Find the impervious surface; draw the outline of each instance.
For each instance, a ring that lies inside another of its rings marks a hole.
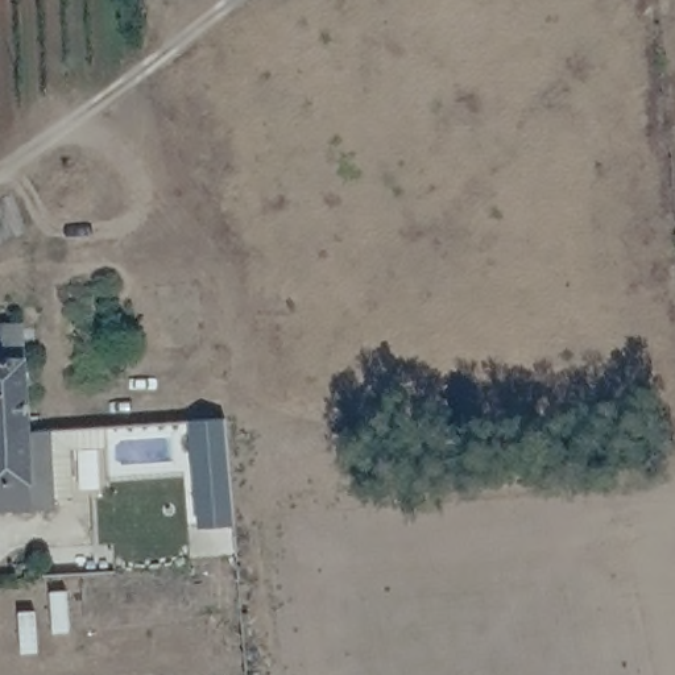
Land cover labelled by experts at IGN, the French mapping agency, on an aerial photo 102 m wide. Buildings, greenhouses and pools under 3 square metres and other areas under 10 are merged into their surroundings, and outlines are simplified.
[[[58,461],[69,461],[69,451],[74,448],[79,454],[82,490],[103,488],[121,480],[179,477],[185,485],[190,556],[235,554],[235,533],[227,527],[198,527],[190,454],[185,448],[187,425],[171,422],[53,432],[53,467]],[[166,440],[171,459],[148,464],[121,464],[116,459],[116,446],[124,440]]]

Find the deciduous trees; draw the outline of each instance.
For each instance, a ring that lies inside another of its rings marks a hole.
[[[95,269],[90,277],[69,279],[58,290],[63,316],[74,324],[71,356],[69,367],[63,369],[63,380],[69,388],[79,388],[82,393],[105,390],[111,382],[121,377],[121,372],[129,364],[137,364],[145,353],[145,330],[140,324],[140,316],[132,314],[129,301],[119,301],[121,277],[113,269]]]
[[[5,559],[13,567],[13,575],[0,577],[0,588],[37,583],[40,575],[50,572],[55,562],[50,559],[47,543],[29,541],[18,554]]]
[[[327,440],[335,443],[338,469],[351,475],[351,493],[361,501],[393,506],[401,512],[435,512],[443,509],[448,493],[459,493],[464,501],[475,501],[480,493],[483,488],[498,488],[504,483],[519,483],[530,488],[541,496],[630,496],[638,490],[649,490],[657,483],[659,472],[675,477],[675,430],[670,409],[659,398],[662,380],[651,374],[649,390],[633,393],[596,388],[591,393],[570,393],[556,403],[535,403],[535,422],[525,417],[509,417],[506,411],[498,411],[496,406],[485,403],[475,419],[451,425],[451,409],[446,396],[430,390],[427,385],[417,385],[414,390],[398,385],[393,393],[382,398],[377,414],[369,422],[364,422],[356,435],[327,435]]]
[[[24,403],[42,401],[45,396],[45,345],[40,340],[26,340],[21,345],[26,377]]]

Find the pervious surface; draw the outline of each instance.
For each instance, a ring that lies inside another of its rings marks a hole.
[[[87,98],[66,116],[53,121],[47,129],[34,134],[29,142],[18,145],[13,153],[0,158],[0,185],[21,195],[32,221],[47,237],[61,237],[66,232],[76,237],[95,229],[103,240],[108,240],[127,237],[129,232],[134,232],[150,214],[153,182],[145,161],[134,153],[134,142],[121,140],[116,129],[108,129],[100,113],[119,98],[124,98],[129,90],[134,90],[140,82],[145,82],[150,74],[156,74],[161,66],[166,66],[171,58],[177,58],[187,45],[203,37],[229,13],[229,5],[224,0],[211,0],[192,24],[169,34],[153,53],[142,55],[111,84],[105,84],[92,98]],[[32,187],[29,177],[40,158],[61,145],[90,148],[124,177],[124,187],[129,195],[127,214],[90,227],[90,221],[71,221],[63,208],[45,206],[42,195]]]
[[[50,559],[55,562],[50,572],[111,572],[108,564],[113,548],[100,543],[98,533],[98,501],[103,496],[103,488],[82,490],[79,454],[74,448],[69,451],[69,461],[58,461],[53,467],[55,512],[0,514],[0,577],[13,575],[13,567],[5,559],[18,554],[29,541],[47,543]]]

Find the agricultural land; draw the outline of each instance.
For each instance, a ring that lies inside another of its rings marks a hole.
[[[229,214],[229,227],[243,235],[243,243],[248,248],[248,287],[264,293],[264,298],[287,298],[285,306],[293,314],[279,316],[279,340],[285,353],[295,356],[290,361],[290,369],[303,372],[298,374],[298,382],[287,390],[287,401],[272,403],[272,417],[253,419],[250,409],[237,409],[235,414],[221,414],[221,419],[229,506],[243,512],[243,525],[248,530],[250,554],[243,562],[245,570],[258,577],[272,577],[272,583],[282,583],[282,591],[277,596],[279,601],[295,596],[295,604],[282,606],[277,612],[282,643],[279,657],[285,662],[306,659],[308,675],[675,675],[675,477],[659,472],[657,483],[649,490],[638,490],[630,496],[541,496],[530,488],[522,498],[483,498],[480,493],[475,501],[464,501],[459,493],[448,493],[443,509],[435,512],[401,512],[393,506],[361,501],[351,493],[351,475],[338,469],[335,443],[327,440],[327,435],[356,435],[364,422],[369,422],[377,414],[382,398],[393,393],[398,385],[414,390],[417,385],[427,385],[430,390],[446,396],[451,409],[451,425],[475,419],[485,403],[496,406],[498,411],[506,411],[509,417],[525,417],[535,422],[535,403],[556,403],[570,393],[591,393],[596,388],[633,393],[649,390],[651,374],[651,361],[672,345],[670,316],[662,303],[654,303],[649,287],[628,295],[628,261],[622,256],[620,243],[625,224],[633,219],[630,206],[625,206],[625,195],[630,174],[638,163],[630,150],[649,150],[646,26],[638,24],[635,5],[630,0],[224,0],[229,5],[229,13],[232,18],[243,21],[243,34],[235,42],[235,53],[227,58],[227,79],[219,87],[208,90],[206,98],[216,105],[216,140],[229,140],[235,150],[235,174],[224,179],[221,211]]]
[[[111,84],[142,55],[153,53],[169,34],[192,24],[211,0],[0,0],[0,158],[13,153],[18,145],[29,142],[34,134],[47,129],[53,121],[66,116],[87,98],[92,98],[105,84]]]

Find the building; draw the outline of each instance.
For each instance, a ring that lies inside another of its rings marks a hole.
[[[187,425],[185,448],[190,454],[198,527],[227,527],[229,506],[221,419],[192,419]]]
[[[0,324],[0,514],[55,512],[53,467],[53,432],[32,430],[34,419],[24,414],[24,403],[26,377],[21,345],[26,340],[21,335],[21,324]]]

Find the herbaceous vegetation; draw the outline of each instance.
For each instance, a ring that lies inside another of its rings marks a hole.
[[[295,356],[285,353],[279,340],[279,316],[293,314],[285,306],[287,298],[264,298],[264,293],[248,287],[248,248],[243,243],[243,235],[229,227],[229,214],[221,211],[224,179],[235,174],[235,150],[229,140],[216,140],[216,105],[206,98],[208,90],[219,87],[227,79],[227,58],[235,53],[235,42],[243,34],[243,21],[232,18],[229,13],[203,37],[187,45],[177,58],[171,58],[166,66],[161,66],[156,74],[150,74],[145,82],[140,82],[134,90],[129,90],[124,98],[119,98],[100,113],[108,129],[116,129],[121,140],[134,142],[134,153],[145,161],[153,182],[150,214],[134,232],[129,232],[127,237],[108,240],[103,240],[95,229],[76,237],[66,232],[61,237],[47,237],[32,221],[21,195],[0,185],[0,324],[21,324],[21,335],[26,340],[40,340],[45,345],[45,396],[42,401],[24,403],[24,414],[34,419],[32,430],[53,432],[171,422],[187,425],[192,419],[221,419],[221,414],[235,414],[237,409],[250,409],[253,419],[272,417],[272,403],[287,401],[287,390],[298,382],[298,374],[303,372],[290,369],[290,361]],[[95,269],[113,269],[121,277],[119,301],[129,301],[132,314],[140,316],[140,324],[145,330],[145,353],[137,364],[129,364],[121,372],[121,377],[111,382],[105,390],[82,393],[79,388],[69,388],[63,380],[63,369],[69,367],[71,356],[74,324],[63,316],[58,290],[69,279],[90,277]]]
[[[483,498],[522,498],[530,488],[519,483],[504,483],[498,488],[483,488],[480,493]]]
[[[98,533],[100,543],[113,548],[108,564],[111,572],[50,572],[40,575],[37,583],[0,588],[0,675],[308,675],[306,659],[285,662],[279,657],[282,643],[277,612],[282,606],[295,604],[295,596],[279,601],[277,596],[282,591],[282,583],[272,583],[272,577],[258,577],[245,570],[243,562],[250,554],[248,530],[243,525],[243,512],[229,506],[227,527],[235,533],[235,554],[190,556],[185,485],[179,477],[121,480],[103,488],[103,496],[98,501]]]
[[[622,256],[628,261],[628,295],[649,287],[654,303],[662,303],[670,316],[672,345],[651,361],[651,374],[662,380],[659,398],[670,409],[675,430],[675,0],[630,0],[635,5],[638,24],[646,26],[649,150],[630,150],[638,163],[630,174],[625,195],[625,206],[630,206],[633,219],[625,224],[620,243]]]
[[[124,187],[124,177],[90,148],[61,145],[40,158],[29,177],[32,187],[42,195],[45,206],[63,208],[71,221],[90,221],[90,227],[127,214],[129,195]]]

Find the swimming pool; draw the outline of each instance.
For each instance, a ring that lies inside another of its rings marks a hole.
[[[116,446],[116,459],[121,464],[148,464],[171,459],[166,440],[124,440]]]

